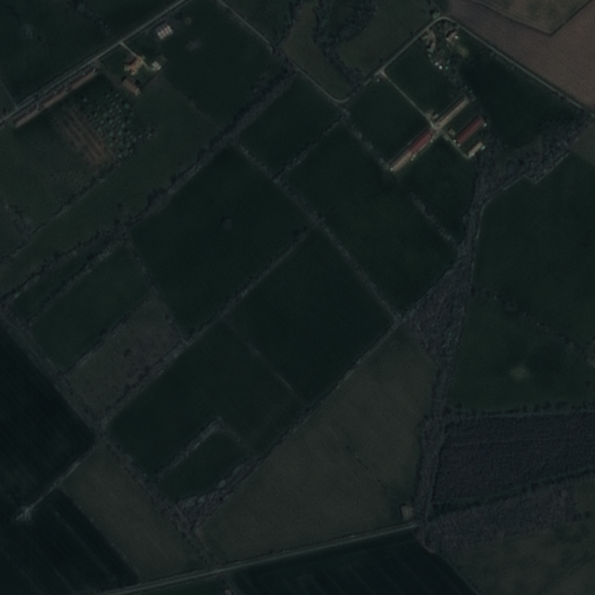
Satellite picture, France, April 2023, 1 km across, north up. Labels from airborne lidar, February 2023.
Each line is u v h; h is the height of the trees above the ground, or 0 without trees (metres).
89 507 0
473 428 8
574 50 0
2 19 0
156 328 0
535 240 0
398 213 0
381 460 0
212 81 0
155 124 0
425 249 0
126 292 0
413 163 0
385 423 0
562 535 0
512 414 10
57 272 0
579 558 0
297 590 0
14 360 0
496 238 0
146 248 0
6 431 0
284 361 0
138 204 0
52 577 0
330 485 0
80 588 0
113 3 0
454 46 0
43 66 0
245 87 0
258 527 0
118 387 0
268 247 0
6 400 0
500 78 0
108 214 0
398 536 0
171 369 0
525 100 0
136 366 7
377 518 0
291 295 0
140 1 0
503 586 0
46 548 0
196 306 0
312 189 0
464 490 10
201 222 0
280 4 0
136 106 0
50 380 0
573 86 0
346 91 0
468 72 0
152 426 0
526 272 0
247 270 0
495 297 6
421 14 0
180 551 0
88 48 0
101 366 0
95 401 0
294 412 0
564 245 0
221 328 0
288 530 0
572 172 0
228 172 0
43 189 0
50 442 0
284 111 0
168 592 0
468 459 9
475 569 0
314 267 0
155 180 0
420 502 14
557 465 8
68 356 0
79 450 0
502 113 0
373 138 0
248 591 0
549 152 10
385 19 0
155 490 13
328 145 0
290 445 0
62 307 0
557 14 0
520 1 0
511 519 13
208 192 0
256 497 0
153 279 0
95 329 0
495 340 0
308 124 0
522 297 0
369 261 0
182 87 0
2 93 0
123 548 0
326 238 0
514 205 0
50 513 0
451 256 0
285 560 0
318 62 0
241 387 0
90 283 0
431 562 0
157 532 0
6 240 0
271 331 0
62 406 0
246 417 0
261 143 0
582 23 0
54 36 0
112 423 0
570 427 8
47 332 0
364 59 0
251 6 0
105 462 0
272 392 0
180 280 0
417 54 0
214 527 0
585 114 14
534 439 9
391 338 0
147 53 0
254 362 0
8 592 0
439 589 0
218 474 0
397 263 0
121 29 0
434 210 0
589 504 0
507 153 0
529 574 0
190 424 0
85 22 0
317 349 0
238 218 0
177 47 0
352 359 0
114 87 0
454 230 0
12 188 0
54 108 0
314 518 0
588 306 0
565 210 0
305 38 0
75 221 0
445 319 6
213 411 0
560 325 0
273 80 0
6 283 0
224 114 0
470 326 0
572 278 0
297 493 0
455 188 0
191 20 0
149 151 0
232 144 14
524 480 6
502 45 0
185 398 0
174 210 0
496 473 8
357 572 0
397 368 0
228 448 0
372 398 0
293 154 0
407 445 0
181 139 0
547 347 0
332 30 0
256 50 0
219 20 0
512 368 0
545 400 0
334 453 0
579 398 0
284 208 0
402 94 0
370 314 0
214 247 0
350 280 0
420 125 0
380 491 0
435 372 0
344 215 0
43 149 0
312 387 0
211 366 0
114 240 12
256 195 0
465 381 0
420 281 0
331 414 0
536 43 0
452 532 17
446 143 0
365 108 0
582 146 0
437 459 11
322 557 0
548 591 0
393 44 0
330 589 0
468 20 0
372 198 0
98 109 9
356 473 0
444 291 11
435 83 0
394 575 0
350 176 0
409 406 0
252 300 0
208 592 0
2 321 6
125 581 0
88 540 0
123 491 0
